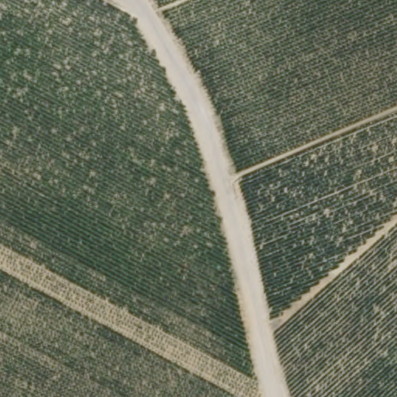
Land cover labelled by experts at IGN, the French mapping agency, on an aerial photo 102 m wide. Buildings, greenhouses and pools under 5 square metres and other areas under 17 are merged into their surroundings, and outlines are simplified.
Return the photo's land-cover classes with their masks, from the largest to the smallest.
<instances>
[{"label":"vineyard","instance_id":"1","mask_svg":"<svg viewBox=\"0 0 397 397\"><path fill-rule=\"evenodd\" d=\"M259 378L253 371V360L240 316L239 301L234 292V273L228 245L223 236L222 217L217 214L214 191L209 188L208 177L203 171L202 154L198 150L185 105L175 98V90L166 78V68L161 67L155 50H149L147 47L146 40L136 28V19L104 0H0V397H261ZM158 16L169 22L175 36L185 47L186 57L192 68L200 74L203 87L208 91L209 101L222 123L226 149L236 167V174L242 178L240 191L251 220L254 250L261 270L265 298L270 307V327L274 330V343L278 349L279 363L284 369L290 397H397V0H155Z\"/></svg>","mask_w":397,"mask_h":397},{"label":"pervious surface","instance_id":"2","mask_svg":"<svg viewBox=\"0 0 397 397\"><path fill-rule=\"evenodd\" d=\"M136 19V28L146 40L147 47L149 50H155L161 67L166 68V78L175 90V98L185 105L198 150L202 154L203 171L208 177L209 188L214 191L217 214L222 217L223 236L228 245L234 273V292L239 301L240 316L253 360V371L259 378L261 397H290L284 369L279 363L278 349L274 343V330L270 327V307L265 298L261 270L254 250L251 220L240 191L242 178L236 174V167L226 149L222 123L209 101L208 91L203 87L200 74L192 68L186 57L185 47L175 36L169 22L158 16L155 0H104Z\"/></svg>","mask_w":397,"mask_h":397}]
</instances>
